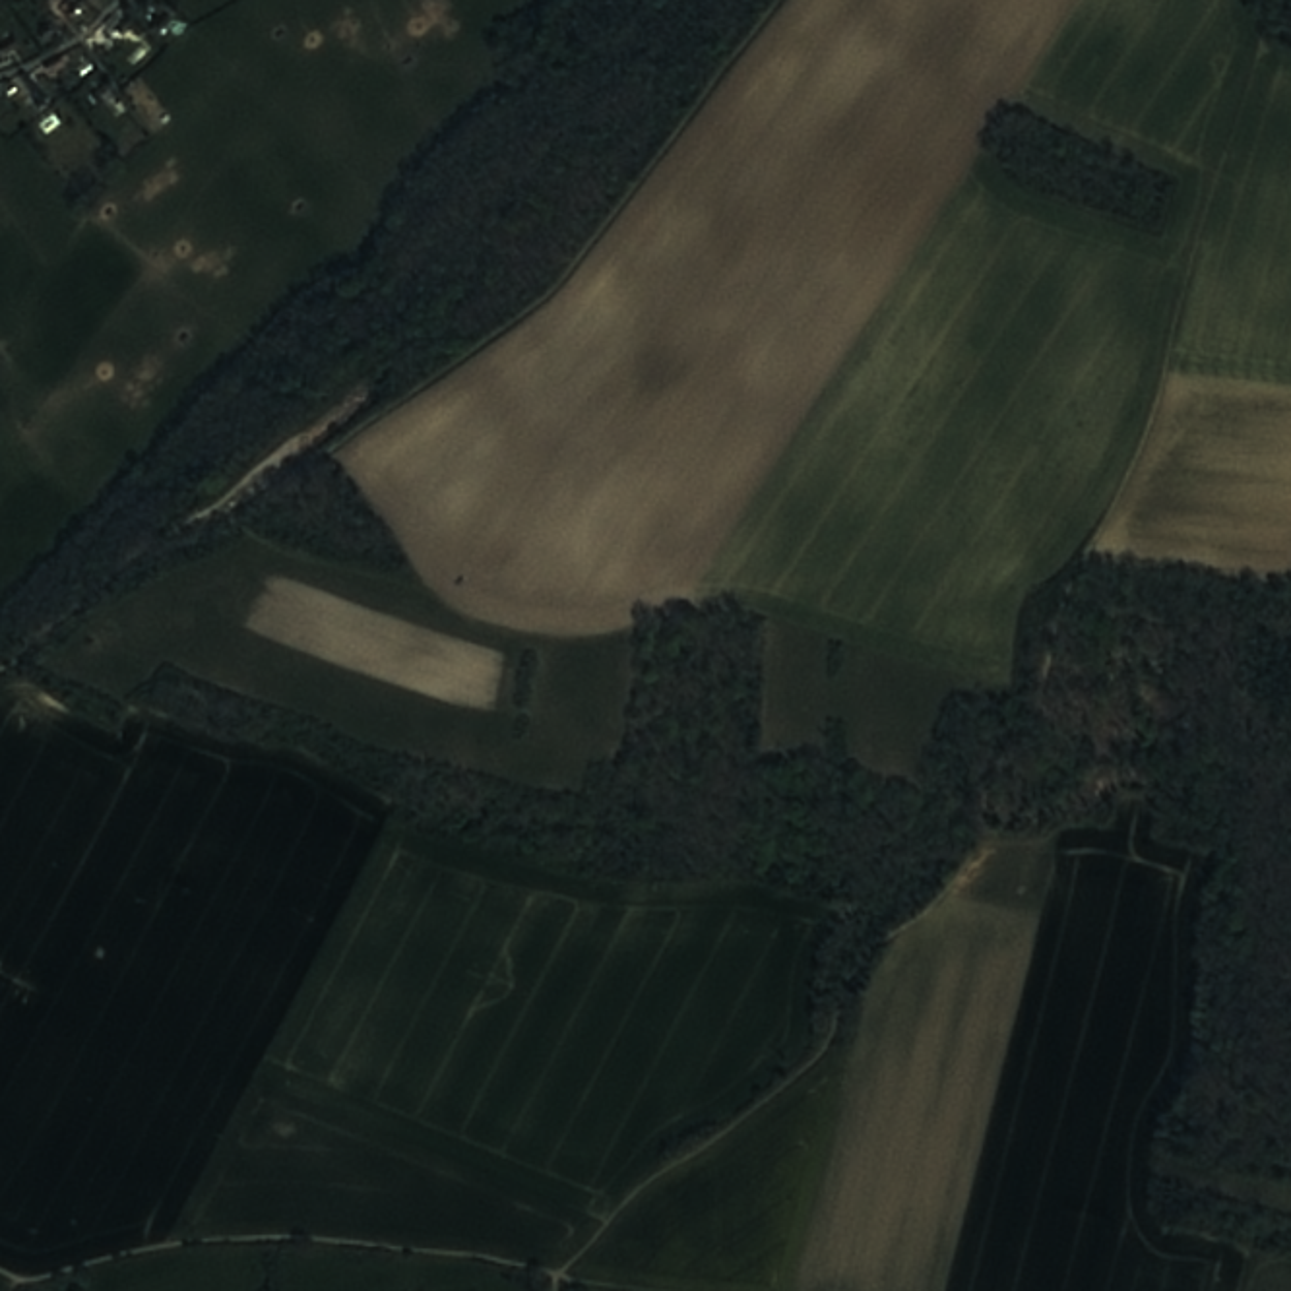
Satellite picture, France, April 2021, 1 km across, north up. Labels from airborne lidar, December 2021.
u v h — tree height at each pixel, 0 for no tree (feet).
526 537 0
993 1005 0
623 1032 0
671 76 57
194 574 0
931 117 0
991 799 52
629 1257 0
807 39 0
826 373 0
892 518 0
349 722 0
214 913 0
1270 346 0
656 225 0
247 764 0
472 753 0
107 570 38
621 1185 0
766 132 0
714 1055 0
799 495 0
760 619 22
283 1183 0
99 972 0
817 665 0
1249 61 0
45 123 0
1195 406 0
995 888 0
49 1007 0
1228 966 62
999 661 0
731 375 0
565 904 0
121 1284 0
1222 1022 80
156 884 0
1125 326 0
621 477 0
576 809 23
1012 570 0
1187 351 0
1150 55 0
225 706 60
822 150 0
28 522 0
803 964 0
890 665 0
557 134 54
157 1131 0
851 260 0
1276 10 61
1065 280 0
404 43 0
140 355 0
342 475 47
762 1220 0
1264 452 0
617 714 0
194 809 0
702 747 65
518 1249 0
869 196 0
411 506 0
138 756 0
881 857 52
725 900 0
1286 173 0
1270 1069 94
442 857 0
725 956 0
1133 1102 0
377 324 69
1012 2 0
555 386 0
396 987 0
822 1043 32
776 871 47
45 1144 0
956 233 0
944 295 0
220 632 0
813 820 61
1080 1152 0
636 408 0
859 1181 0
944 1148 0
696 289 0
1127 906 0
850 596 0
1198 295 0
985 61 0
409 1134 0
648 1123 0
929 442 0
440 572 0
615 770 24
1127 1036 0
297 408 58
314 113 0
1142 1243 0
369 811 0
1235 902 75
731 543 0
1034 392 0
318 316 58
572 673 0
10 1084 0
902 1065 0
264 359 29
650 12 56
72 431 0
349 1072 0
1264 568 0
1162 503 0
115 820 0
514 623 0
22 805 0
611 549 0
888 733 0
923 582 0
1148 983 0
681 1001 0
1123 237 0
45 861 0
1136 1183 0
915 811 48
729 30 57
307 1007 0
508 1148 0
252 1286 0
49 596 38
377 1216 0
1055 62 0
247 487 0
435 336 52
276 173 0
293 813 0
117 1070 0
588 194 51
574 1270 0
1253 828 72
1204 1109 82
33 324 0
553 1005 0
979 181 0
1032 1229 0
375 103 0
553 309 0
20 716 0
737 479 0
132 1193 0
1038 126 35
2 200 0
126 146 0
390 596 0
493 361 0
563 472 0
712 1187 0
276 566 0
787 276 0
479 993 0
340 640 0
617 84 58
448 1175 0
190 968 0
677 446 0
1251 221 0
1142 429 0
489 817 42
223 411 64
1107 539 0
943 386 0
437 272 58
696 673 54
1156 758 49
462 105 0
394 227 49
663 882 27
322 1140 0
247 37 0
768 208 0
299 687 0
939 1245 0
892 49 0
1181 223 0
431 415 0
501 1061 0
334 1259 0
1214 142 0
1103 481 0
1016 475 0
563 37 78
